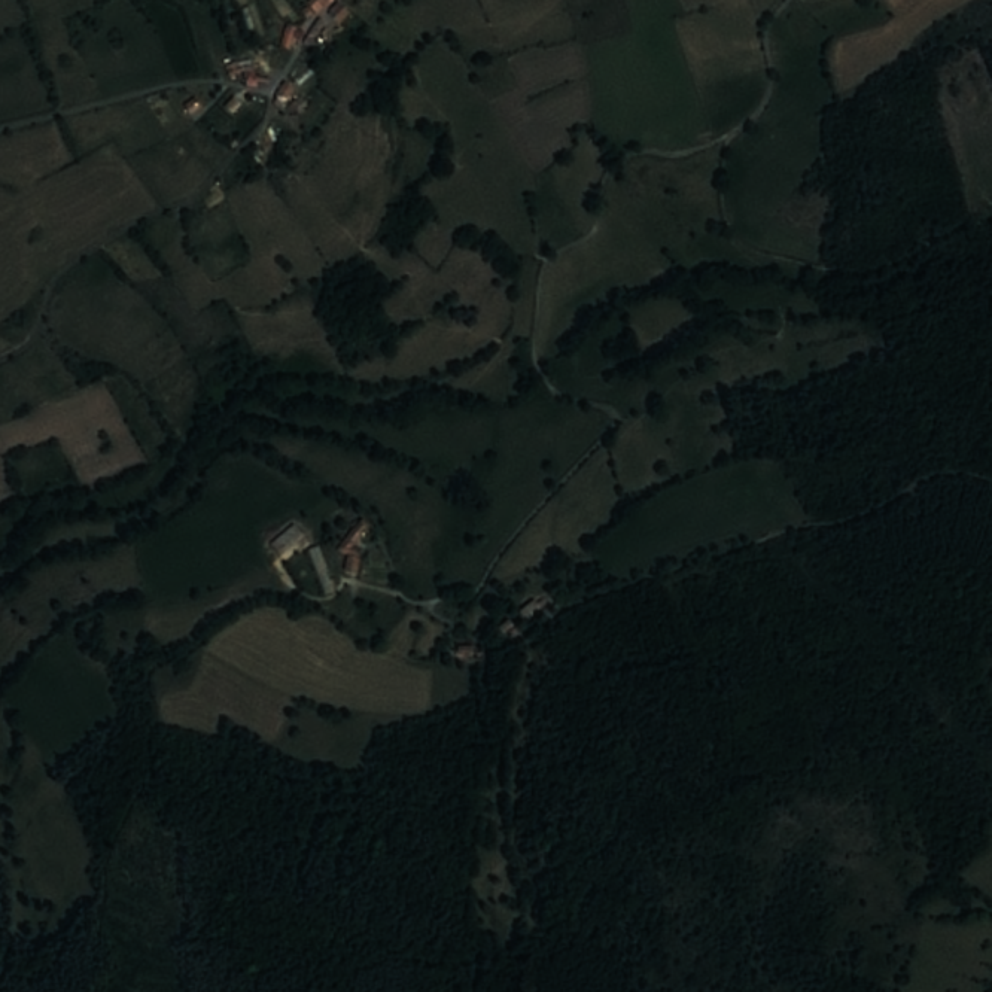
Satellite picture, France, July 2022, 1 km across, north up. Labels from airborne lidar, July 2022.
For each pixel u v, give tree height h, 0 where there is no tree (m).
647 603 10
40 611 0
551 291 0
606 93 0
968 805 10
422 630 11
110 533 0
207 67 0
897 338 12
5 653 0
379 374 0
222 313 0
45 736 0
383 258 0
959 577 8
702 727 16
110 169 0
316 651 0
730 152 11
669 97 0
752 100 0
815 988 11
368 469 0
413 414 20
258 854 13
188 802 14
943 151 17
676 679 16
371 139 0
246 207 0
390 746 13
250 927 12
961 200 20
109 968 23
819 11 0
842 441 12
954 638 12
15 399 0
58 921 0
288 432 16
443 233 0
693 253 0
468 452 0
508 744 19
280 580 0
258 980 19
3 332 0
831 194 7
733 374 0
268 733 0
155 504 20
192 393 0
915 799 7
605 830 8
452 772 8
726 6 0
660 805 10
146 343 0
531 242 0
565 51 0
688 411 0
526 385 16
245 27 8
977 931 0
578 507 0
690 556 7
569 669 6
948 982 0
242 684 0
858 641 8
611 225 0
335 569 0
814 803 0
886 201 13
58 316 0
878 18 0
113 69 0
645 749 11
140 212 0
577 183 0
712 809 8
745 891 6
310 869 21
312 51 14
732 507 0
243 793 15
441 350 0
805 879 7
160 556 0
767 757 6
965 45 6
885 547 15
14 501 15
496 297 0
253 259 0
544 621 8
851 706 12
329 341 13
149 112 0
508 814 15
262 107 0
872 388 13
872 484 9
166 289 0
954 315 13
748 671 9
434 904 14
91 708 0
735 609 9
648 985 17
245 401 30
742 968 16
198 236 0
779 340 0
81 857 0
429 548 0
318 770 21
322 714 13
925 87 7
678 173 0
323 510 0
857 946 8
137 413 0
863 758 13
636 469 0
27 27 8
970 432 15
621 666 7
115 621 0
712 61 0
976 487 12
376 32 0
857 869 0
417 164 0
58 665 0
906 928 0
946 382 11
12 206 0
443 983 23
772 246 0
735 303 0
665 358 21
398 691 0
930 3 0
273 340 0
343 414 25
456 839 15
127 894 0
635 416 11
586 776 11
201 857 20
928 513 9
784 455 13
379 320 14
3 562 23
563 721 6
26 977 16
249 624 0
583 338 23
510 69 0
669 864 11
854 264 15
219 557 0
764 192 0
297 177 0
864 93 10
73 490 17
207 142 0
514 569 0
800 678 8
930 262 16
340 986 20
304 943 15
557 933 18
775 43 0
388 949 17
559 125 0
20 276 0
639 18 0
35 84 0
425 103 0
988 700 14
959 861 12
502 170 0
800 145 0
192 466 25
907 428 9
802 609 6
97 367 9
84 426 0
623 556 0
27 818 0
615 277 0
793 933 11
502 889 0
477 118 0
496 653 21
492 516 0
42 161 0
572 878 7
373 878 15
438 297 0
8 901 24
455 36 16
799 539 9
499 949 18
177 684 0
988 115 0
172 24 0
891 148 12
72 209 0
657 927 9
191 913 17
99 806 10
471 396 17
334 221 0
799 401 30
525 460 0
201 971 17
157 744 9
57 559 17
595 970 8
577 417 0
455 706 10
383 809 13
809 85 0
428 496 0
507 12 0
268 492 0
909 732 11
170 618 0
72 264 0
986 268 18
